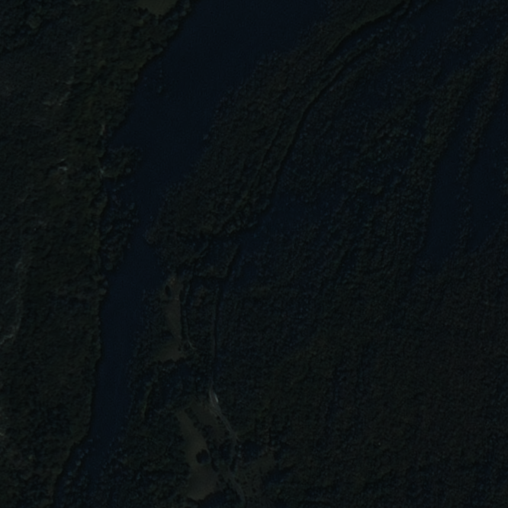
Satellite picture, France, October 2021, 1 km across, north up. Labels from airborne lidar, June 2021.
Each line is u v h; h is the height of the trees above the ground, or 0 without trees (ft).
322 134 39
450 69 68
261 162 35
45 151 29
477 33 34
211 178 30
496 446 73
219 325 22
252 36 84
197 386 29
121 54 80
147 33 55
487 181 73
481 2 62
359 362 48
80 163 22
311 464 78
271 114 41
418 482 70
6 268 27
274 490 60
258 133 26
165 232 59
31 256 35
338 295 81
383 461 86
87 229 93
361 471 77
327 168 65
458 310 72
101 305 31
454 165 57
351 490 73
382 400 84
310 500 62
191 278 24
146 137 73
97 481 66
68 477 57
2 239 34
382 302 80
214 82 86
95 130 45
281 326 20
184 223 49
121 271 62
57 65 18
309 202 26
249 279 48
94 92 72
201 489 0
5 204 22
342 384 61
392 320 79
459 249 88
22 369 37
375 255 88
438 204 53
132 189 100
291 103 39
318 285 27
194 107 78
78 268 73
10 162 30
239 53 69
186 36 56
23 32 65
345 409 68
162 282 36
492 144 66
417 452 61
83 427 96
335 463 72
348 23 57
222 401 48
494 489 74
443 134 72
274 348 47
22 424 55
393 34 84
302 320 30
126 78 70
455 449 70
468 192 82
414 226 88
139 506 63
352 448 62
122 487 72
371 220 75
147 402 24
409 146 82
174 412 42
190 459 0
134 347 45
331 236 29
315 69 45
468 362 78
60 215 39
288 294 43
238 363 61
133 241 64
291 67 41
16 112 18
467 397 72
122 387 35
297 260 33
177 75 71
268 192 42
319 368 87
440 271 88
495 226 94
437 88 83
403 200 86
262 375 50
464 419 70
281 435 60
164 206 37
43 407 55
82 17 61
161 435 75
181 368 25
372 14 48
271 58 26
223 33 77
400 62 52
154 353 48
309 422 76
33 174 54
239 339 27
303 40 42
